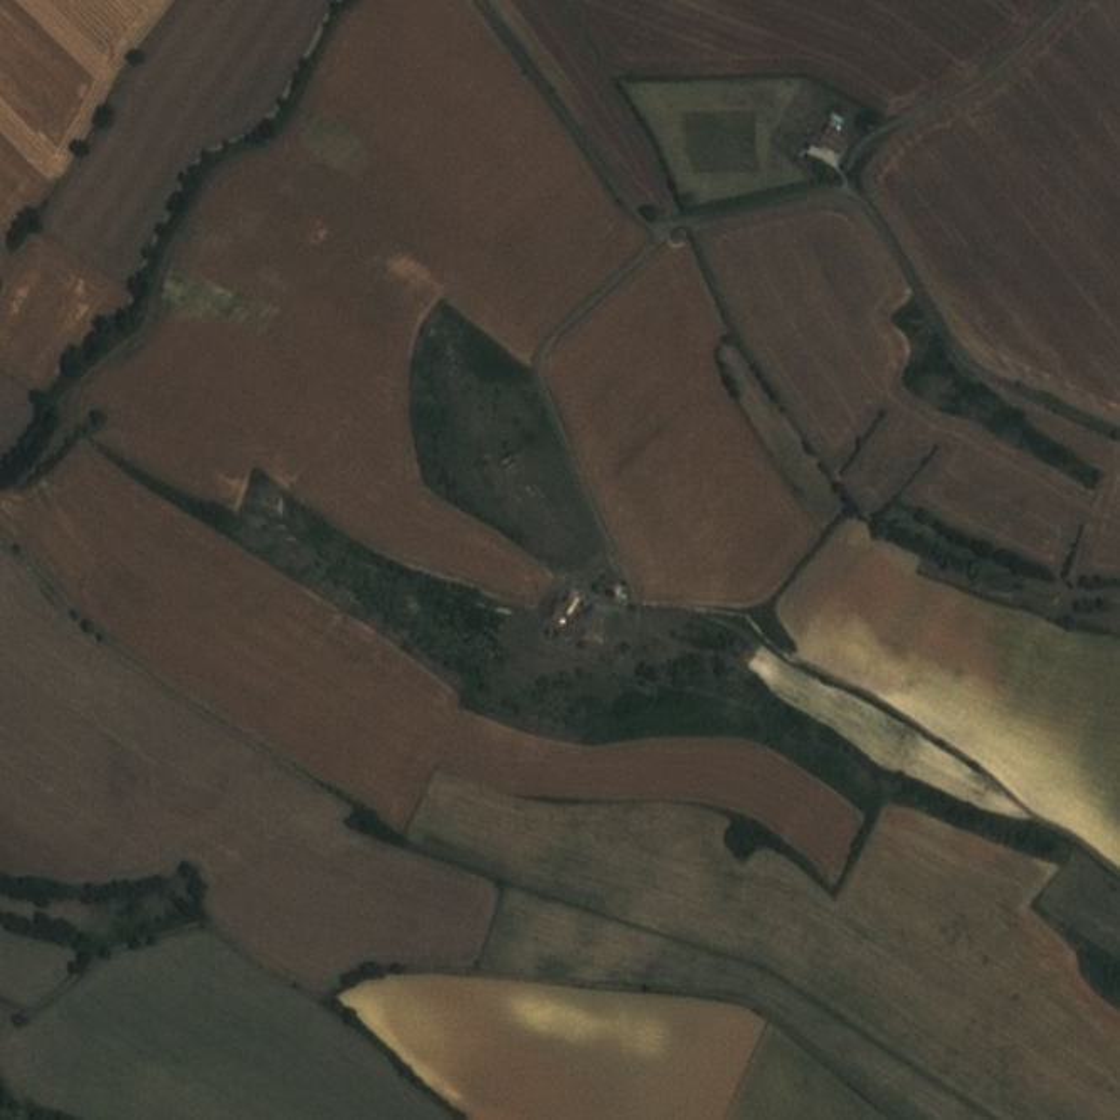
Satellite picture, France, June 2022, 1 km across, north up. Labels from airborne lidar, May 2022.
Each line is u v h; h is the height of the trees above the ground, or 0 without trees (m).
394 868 0
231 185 0
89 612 0
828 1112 0
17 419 0
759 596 0
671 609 0
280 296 0
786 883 0
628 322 0
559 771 0
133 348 0
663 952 0
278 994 0
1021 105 0
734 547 0
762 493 0
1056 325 0
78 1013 0
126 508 0
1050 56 0
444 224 0
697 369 0
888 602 0
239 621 0
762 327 0
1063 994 0
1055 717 0
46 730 0
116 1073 0
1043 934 0
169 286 0
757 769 0
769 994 0
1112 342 0
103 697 0
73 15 0
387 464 0
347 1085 0
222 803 0
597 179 0
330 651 0
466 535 0
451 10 0
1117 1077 0
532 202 0
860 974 0
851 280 0
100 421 9
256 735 0
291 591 0
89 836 0
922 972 0
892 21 0
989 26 0
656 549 0
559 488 0
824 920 0
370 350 0
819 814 0
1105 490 0
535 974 0
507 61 0
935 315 0
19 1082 0
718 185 0
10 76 0
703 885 0
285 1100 0
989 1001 0
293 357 0
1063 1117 0
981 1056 0
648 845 0
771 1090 0
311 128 0
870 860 0
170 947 0
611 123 0
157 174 0
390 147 0
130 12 0
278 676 0
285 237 0
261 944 0
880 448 0
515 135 0
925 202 0
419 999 0
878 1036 0
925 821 0
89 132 0
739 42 0
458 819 0
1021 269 0
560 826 0
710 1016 0
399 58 0
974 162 0
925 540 20
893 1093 0
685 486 0
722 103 0
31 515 0
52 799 0
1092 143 0
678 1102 0
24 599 0
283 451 0
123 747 0
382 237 0
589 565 0
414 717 0
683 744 0
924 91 0
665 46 0
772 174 0
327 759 0
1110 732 0
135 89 0
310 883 0
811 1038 0
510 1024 0
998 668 0
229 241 0
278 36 0
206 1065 0
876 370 0
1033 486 0
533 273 0
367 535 0
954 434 0
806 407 0
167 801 0
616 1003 0
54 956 0
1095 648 0
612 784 0
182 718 0
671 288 0
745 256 0
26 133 0
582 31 0
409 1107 0
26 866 0
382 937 0
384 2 0
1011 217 0
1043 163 0
